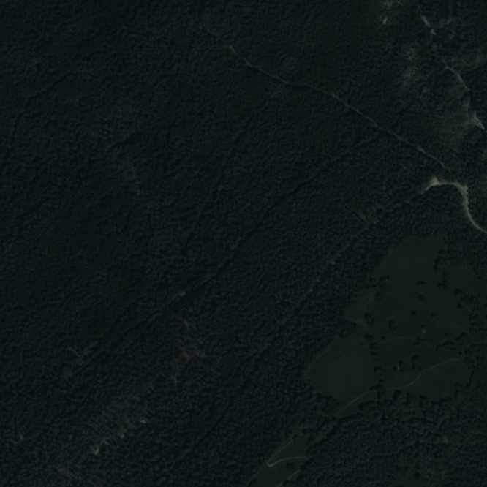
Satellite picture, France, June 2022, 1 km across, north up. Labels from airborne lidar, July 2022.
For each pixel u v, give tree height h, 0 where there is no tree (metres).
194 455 18
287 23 17
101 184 25
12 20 24
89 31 26
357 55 30
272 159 29
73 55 28
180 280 23
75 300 25
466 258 21
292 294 24
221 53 19
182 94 30
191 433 24
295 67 6
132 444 20
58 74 27
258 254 20
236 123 28
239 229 16
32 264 24
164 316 17
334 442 21
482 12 21
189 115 23
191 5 12
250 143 15
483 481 28
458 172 19
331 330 14
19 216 6
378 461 22
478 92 19
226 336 21
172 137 26
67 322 25
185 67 21
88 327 24
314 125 18
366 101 28
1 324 27
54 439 24
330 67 31
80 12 25
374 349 13
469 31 17
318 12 20
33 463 29
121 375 16
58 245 23
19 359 30
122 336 13
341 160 8
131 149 27
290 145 32
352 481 16
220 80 22
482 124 8
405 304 0
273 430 26
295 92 19
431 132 22
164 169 15
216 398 22
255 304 18
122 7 30
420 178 22
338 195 22
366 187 22
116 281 31
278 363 26
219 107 26
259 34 22
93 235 29
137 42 23
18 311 24
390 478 18
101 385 19
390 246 18
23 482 24
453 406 17
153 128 20
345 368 0
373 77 30
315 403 22
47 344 22
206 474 26
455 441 18
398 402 21
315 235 26
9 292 23
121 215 32
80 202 21
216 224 26
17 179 23
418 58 14
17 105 24
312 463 19
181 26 13
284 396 21
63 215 17
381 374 12
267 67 19
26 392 12
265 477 0
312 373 0
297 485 21
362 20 21
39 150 26
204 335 18
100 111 21
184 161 23
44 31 25
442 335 0
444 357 0
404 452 28
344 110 29
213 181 24
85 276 28
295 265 23
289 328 21
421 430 26
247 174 23
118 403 24
